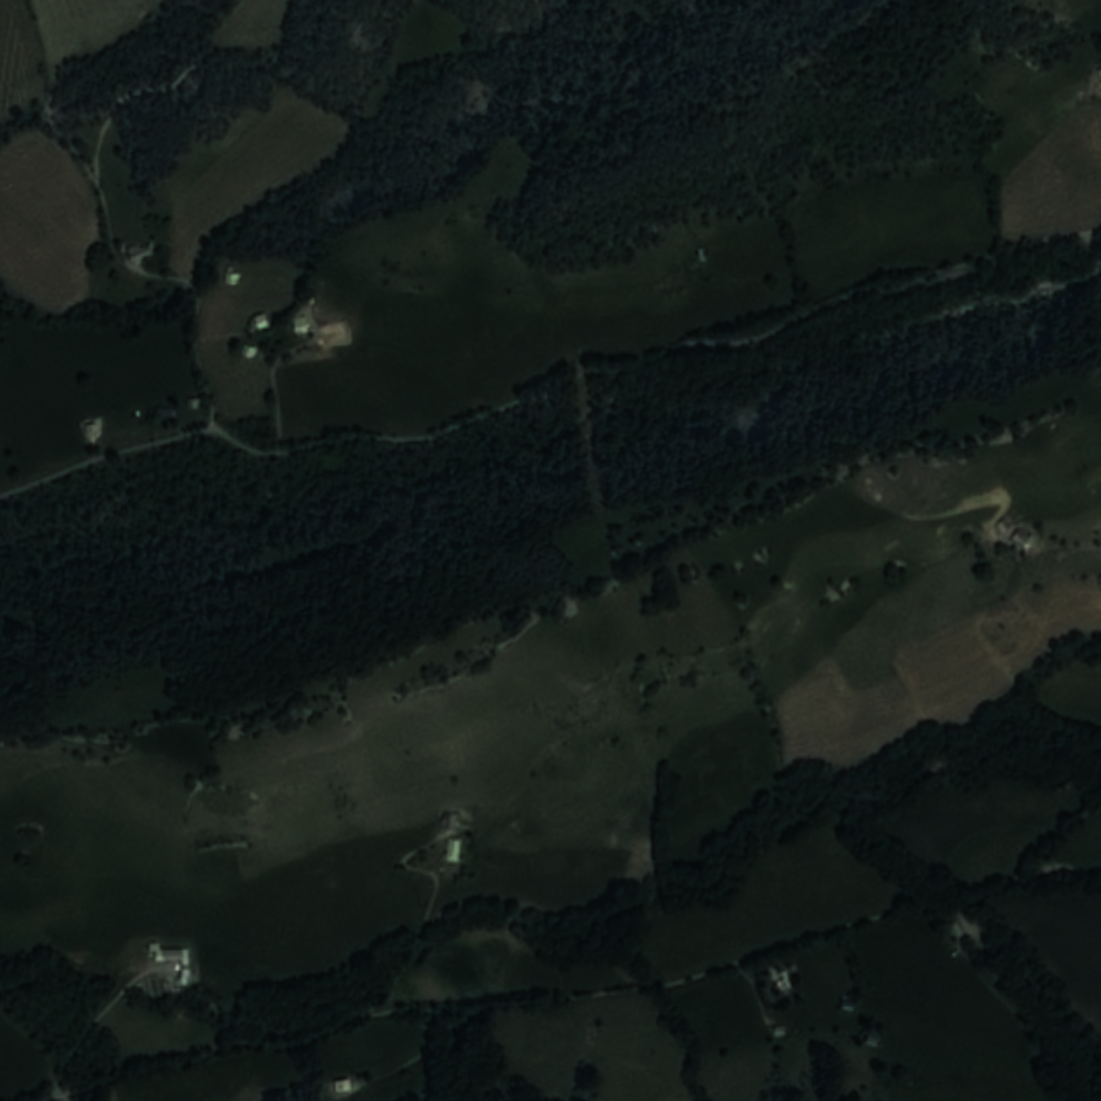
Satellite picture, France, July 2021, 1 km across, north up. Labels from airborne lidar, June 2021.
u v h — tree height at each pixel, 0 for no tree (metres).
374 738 0
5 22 0
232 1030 21
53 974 16
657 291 0
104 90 10
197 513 15
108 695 0
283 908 0
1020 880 15
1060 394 0
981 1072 0
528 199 15
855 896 0
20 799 0
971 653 0
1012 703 13
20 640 30
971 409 0
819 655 0
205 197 0
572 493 17
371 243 0
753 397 11
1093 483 0
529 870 0
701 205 11
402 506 19
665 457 18
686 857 0
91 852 0
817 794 20
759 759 0
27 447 0
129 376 0
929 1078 0
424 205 11
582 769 0
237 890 0
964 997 0
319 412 0
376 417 0
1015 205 0
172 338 0
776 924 0
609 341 0
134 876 0
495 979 0
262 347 10
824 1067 17
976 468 0
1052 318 10
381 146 11
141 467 11
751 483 11
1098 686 0
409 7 14
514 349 0
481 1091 23
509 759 0
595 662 0
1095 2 0
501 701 0
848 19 14
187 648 22
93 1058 12
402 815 0
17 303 6
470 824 0
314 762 0
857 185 0
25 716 19
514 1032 0
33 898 0
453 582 20
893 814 19
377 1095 0
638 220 14
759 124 14
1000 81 0
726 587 0
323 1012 16
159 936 0
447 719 0
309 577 22
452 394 0
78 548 13
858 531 0
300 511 14
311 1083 16
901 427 16
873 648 0
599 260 15
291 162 0
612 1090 0
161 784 0
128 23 0
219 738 8
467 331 0
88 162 9
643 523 9
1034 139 0
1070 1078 25
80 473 8
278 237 14
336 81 9
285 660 22
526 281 0
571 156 17
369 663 13
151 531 9
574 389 18
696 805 0
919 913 14
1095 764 23
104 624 23
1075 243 16
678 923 0
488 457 16
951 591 0
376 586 22
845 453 14
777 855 0
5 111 0
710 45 13
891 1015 0
